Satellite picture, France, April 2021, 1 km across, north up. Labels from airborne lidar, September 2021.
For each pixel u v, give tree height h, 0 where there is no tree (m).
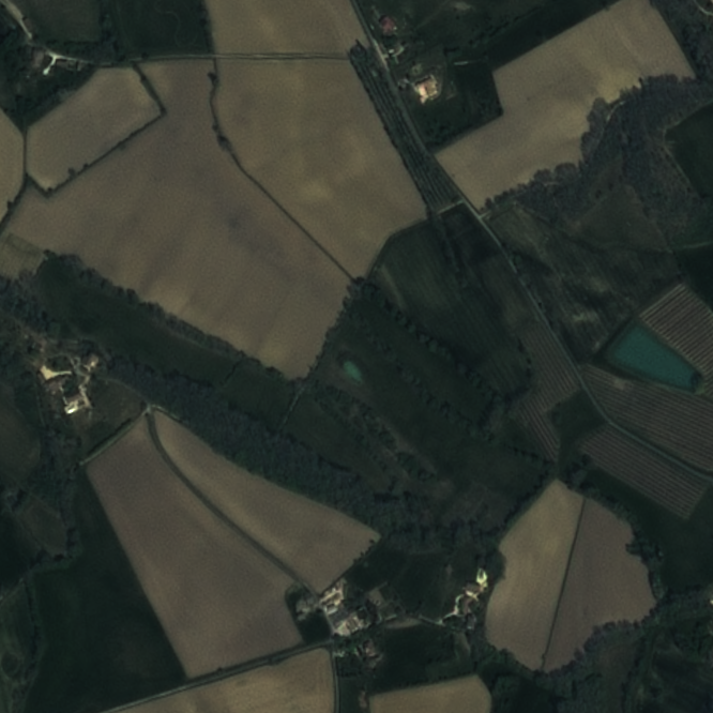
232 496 0
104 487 0
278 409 0
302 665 0
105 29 12
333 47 0
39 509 0
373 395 0
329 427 0
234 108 0
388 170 0
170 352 0
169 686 0
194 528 0
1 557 0
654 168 14
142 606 0
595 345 0
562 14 0
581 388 10
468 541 11
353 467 0
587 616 0
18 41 10
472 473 0
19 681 0
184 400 25
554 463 7
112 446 0
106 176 0
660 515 0
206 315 0
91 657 0
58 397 0
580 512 0
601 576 0
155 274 0
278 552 0
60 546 0
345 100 0
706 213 9
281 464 28
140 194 0
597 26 0
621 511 24
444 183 27
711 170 0
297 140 0
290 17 0
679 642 16
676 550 0
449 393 0
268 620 0
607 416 0
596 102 0
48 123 0
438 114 0
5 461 0
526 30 0
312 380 7
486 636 20
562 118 0
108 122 0
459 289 0
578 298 0
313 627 0
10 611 0
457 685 0
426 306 0
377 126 0
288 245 0
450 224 0
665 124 14
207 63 0
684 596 12
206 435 23
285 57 0
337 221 0
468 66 0
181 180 0
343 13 0
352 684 0
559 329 11
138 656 0
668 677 0
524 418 6
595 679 8
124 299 11
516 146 0
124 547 0
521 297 0
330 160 0
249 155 0
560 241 0
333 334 12
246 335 0
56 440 15
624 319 0
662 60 0
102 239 0
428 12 0
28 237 0
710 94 18
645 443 0
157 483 0
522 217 0
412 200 0
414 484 0
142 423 0
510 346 0
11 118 7
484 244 0
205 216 0
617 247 0
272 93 0
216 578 0
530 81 0
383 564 0
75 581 0
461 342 0
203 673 0
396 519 26
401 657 0
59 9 0
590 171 17
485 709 0
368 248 0
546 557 0
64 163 0
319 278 0
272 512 0
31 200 0
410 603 0
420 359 0
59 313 0
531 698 0
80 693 0
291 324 0
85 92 0
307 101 0
